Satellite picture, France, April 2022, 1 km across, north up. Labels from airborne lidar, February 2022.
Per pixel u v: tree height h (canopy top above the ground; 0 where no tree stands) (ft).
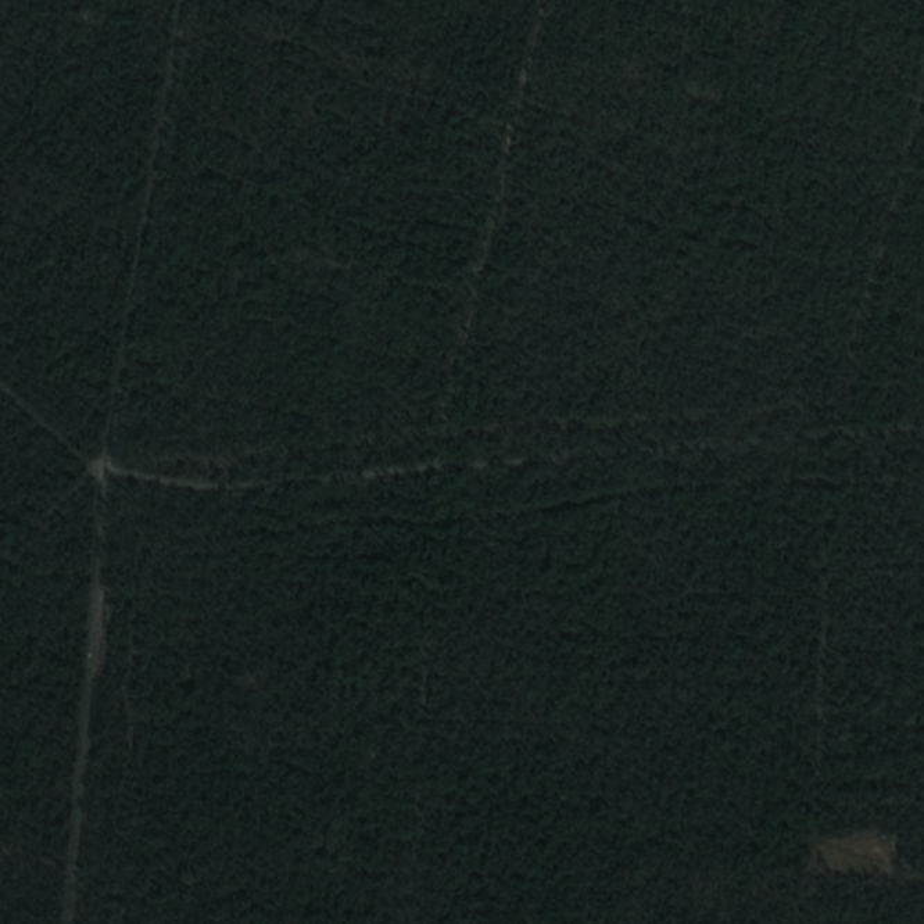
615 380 55
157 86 63
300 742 48
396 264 61
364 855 55
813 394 49
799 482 52
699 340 41
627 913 63
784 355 44
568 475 63
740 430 42
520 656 56
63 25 52
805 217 54
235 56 21
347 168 54
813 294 49
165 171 54
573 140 54
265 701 49
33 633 39
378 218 57
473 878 37
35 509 64
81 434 51
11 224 59
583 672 70
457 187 53
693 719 52
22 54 47
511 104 51
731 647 57
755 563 46
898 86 55
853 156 52
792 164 70
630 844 33
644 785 67
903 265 59
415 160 42
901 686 59
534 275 48
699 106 47
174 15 53
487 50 51
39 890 41
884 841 0
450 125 55
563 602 52
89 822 58
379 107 50
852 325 60
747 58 55
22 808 50
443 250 52
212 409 60
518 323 48
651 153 54
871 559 38
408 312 63
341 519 34
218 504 51
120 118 42
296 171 64
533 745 55
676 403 37
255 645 60
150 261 54
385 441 56
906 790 50
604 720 47
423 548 63
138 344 51
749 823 59
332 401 64
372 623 59
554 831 53
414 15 55
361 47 50
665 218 59
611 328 55
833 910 62
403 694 47
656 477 55
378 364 61
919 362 47
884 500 58
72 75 56
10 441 31
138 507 49
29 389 46
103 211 53
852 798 62
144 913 43
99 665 0
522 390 38
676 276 47
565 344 49
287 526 57
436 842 42
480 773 61
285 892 65
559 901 49
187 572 57
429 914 42
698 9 57
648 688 52
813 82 60
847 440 46
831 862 0
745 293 49
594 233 50
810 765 57
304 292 53
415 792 51
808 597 45
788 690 43
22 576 55
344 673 61
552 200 42
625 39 58
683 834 51
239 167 63
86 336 55
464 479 62
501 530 32
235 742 49
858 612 42
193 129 52
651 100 55
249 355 60
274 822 51
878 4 61
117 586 55
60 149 43
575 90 46
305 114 66
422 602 61
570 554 69
